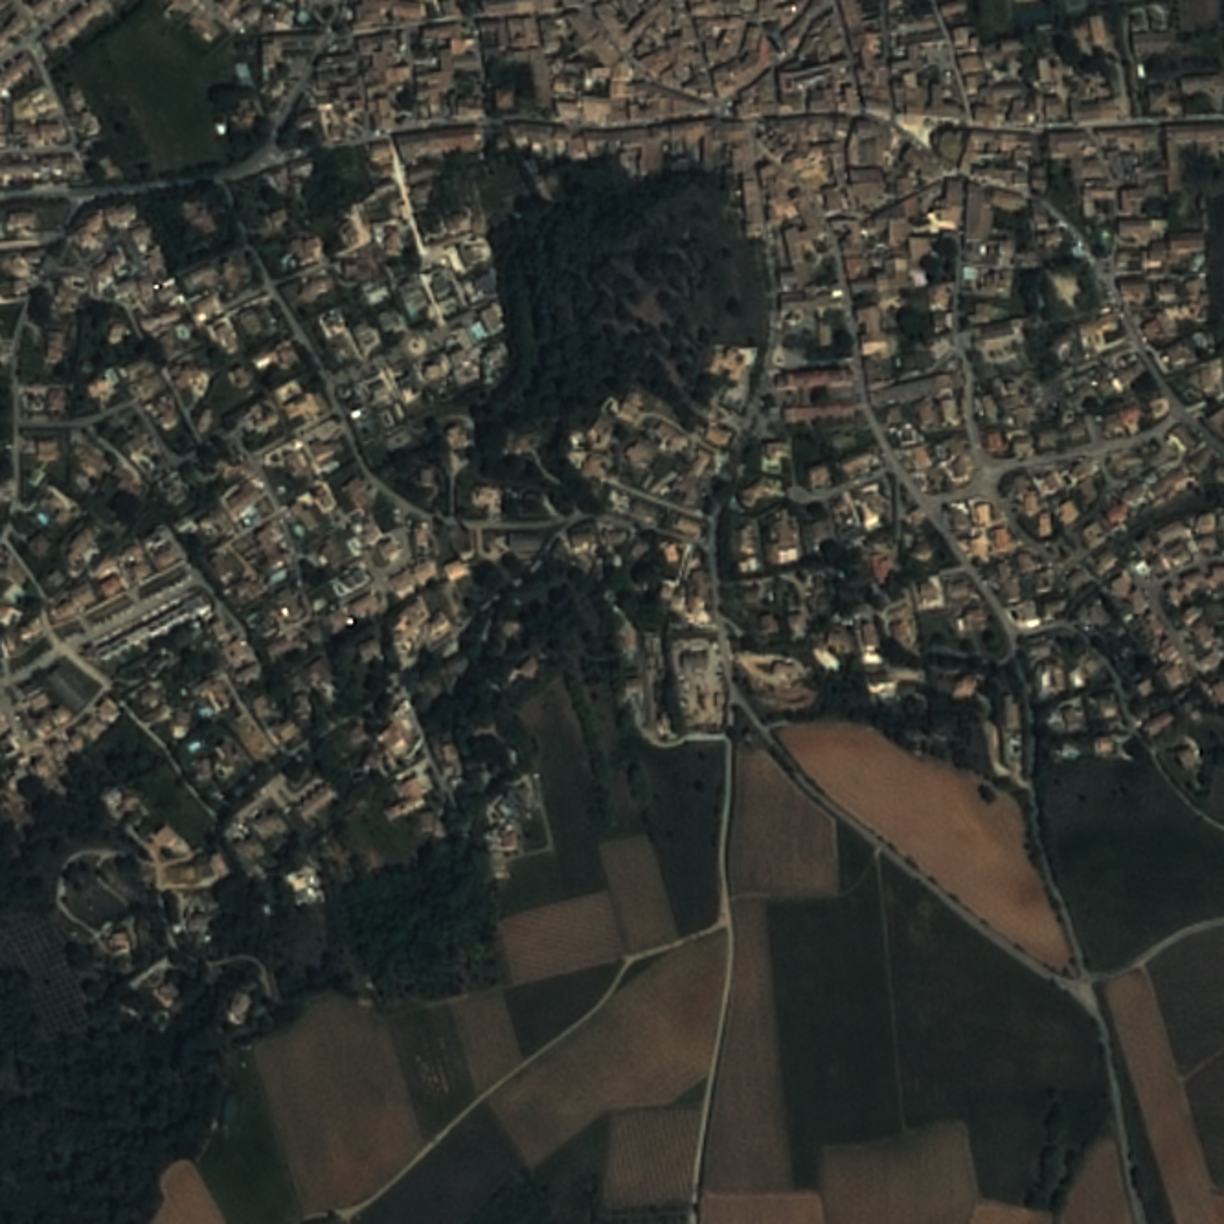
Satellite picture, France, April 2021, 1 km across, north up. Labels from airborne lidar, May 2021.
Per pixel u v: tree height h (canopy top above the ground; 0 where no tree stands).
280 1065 0
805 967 0
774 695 0
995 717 7
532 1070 0
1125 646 6
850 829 0
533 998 0
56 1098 16
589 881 0
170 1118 9
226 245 7
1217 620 0
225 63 0
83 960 14
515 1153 0
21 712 0
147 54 0
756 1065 0
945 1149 0
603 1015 0
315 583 0
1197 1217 0
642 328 12
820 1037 0
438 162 12
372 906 11
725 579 10
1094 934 0
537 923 0
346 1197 0
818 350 12
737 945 0
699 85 0
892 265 0
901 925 0
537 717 0
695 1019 0
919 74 7
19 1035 20
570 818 0
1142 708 6
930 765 0
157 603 0
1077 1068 0
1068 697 8
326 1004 0
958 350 0
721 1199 0
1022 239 11
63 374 13
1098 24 0
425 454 7
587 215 13
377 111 0
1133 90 7
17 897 14
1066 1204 10
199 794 6
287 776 9
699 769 0
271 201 13
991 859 0
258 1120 0
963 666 10
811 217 0
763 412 9
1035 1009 0
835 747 0
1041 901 0
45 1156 8
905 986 0
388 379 0
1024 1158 0
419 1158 0
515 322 7
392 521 0
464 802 15
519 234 9
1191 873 0
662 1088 0
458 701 9
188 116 0
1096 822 0
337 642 7
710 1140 0
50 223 0
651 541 12
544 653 6
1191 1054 0
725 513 8
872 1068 0
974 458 0
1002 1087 0
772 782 0
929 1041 0
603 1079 0
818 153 0
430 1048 0
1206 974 0
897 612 0
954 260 7
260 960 8
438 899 10
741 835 0
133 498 11
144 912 11
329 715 12
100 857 0
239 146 13
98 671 0
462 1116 0
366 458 7
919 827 0
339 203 7
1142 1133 0
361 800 12
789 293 0
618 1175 0
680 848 0
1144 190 0
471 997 0
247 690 11
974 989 0
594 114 0
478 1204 0
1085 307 17
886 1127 0
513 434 9
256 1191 0
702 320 0
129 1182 18
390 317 0
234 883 8
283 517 0
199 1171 0
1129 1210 0
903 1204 0
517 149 6
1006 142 0
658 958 0
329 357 8
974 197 0
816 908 0
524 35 0
